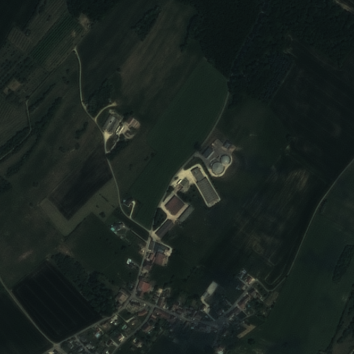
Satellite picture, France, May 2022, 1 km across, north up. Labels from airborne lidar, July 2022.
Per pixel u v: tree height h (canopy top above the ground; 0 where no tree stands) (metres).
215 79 0
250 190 0
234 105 16
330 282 0
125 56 0
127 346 0
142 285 0
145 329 0
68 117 0
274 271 0
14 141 7
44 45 6
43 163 0
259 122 0
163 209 0
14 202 0
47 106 0
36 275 0
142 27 12
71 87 0
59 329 0
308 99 0
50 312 0
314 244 0
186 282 12
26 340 0
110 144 0
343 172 0
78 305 0
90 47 0
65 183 0
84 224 0
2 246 0
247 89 29
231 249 0
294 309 0
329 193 0
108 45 0
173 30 0
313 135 0
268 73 28
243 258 0
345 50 20
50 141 0
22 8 0
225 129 0
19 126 0
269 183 0
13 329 0
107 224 0
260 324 0
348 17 31
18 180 0
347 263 6
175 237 0
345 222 0
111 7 18
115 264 0
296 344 0
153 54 0
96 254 0
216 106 0
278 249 0
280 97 0
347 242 0
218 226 0
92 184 0
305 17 28
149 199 0
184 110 0
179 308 0
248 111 0
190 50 0
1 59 0
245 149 0
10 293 0
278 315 0
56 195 0
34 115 0
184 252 0
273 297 0
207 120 0
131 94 0
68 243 0
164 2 0
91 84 0
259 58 28
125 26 0
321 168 0
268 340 0
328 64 0
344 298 0
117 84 0
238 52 14
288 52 0
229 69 18
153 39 0
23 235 0
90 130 0
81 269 21
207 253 0
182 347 0
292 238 0
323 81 0
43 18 0
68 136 0
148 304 0
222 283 0
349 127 0
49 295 0
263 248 0
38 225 0
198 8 12
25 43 0
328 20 26
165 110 0
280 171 0
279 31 25
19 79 10
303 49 0
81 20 0
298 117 0
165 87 0
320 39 21
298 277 0
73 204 0
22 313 0
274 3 26
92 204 0
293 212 0
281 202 0
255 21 14
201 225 0
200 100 0
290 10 30
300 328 0
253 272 0
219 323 0
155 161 0
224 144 0
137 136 0
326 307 0
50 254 0
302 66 0
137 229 0
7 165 0
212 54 17
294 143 0
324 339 0
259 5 11
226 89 0
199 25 19
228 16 18
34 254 0
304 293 0
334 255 0
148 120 0
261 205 0
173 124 0
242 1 17
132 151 0
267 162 0
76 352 0
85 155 0
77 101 0
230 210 0
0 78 7
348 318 0
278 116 0
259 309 7
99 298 23
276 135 0
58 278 0
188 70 0
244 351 0
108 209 0
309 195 0
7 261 0
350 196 0
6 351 0
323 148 0
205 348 14
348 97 0
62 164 0
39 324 0
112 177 0
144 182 0
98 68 0
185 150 0
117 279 0
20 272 0
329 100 0
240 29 17
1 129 0
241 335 0
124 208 0
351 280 0
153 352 0
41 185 0
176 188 0
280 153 0
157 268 0
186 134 0
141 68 0
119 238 0
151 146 0
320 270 0
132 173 0
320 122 0
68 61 0
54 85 6
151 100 0
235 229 0
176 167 0
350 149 0
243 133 0
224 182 0
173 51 0
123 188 0
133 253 0
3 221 0
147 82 0
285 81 0
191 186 9
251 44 27
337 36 29
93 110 10
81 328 0
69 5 18
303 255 0
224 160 0
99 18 10
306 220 0
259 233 0
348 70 0
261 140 0
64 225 0
